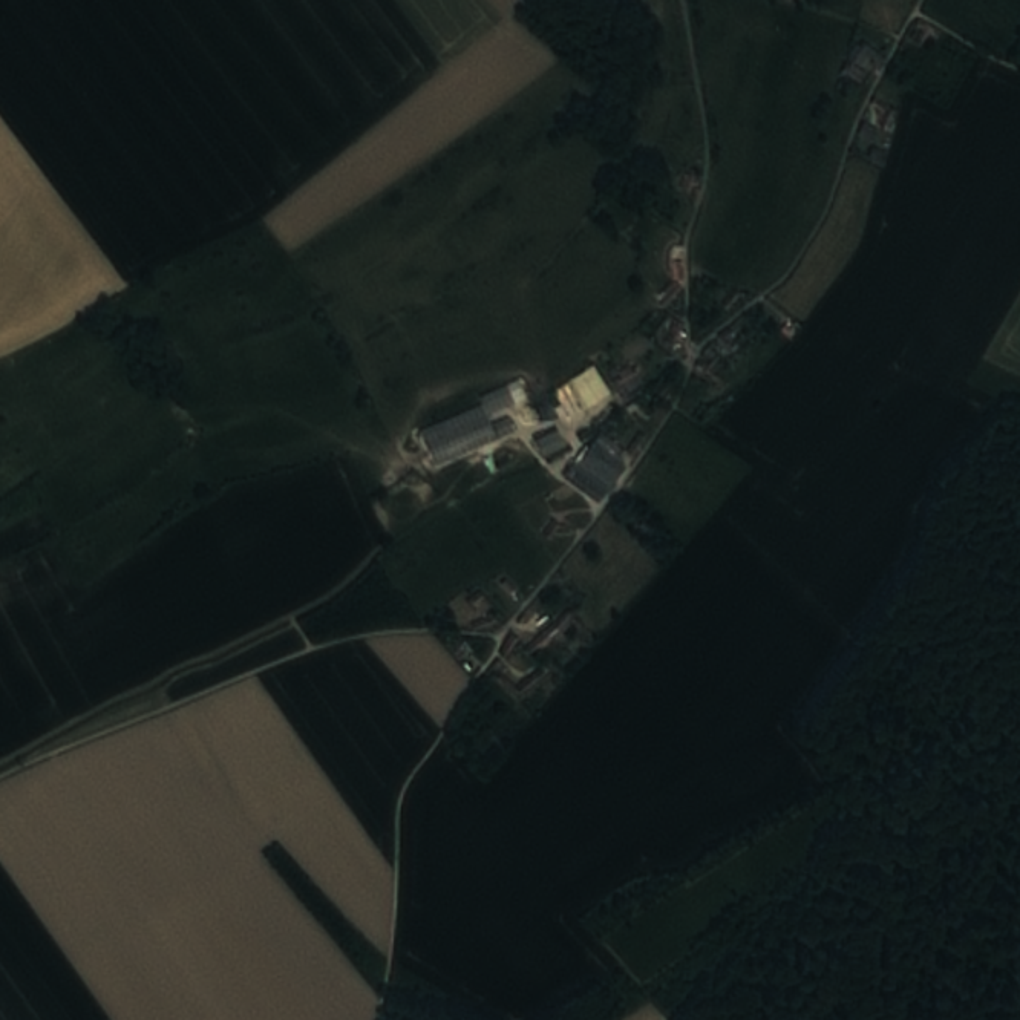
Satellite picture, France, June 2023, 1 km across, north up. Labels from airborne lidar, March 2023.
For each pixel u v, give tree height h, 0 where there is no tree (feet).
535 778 0
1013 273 0
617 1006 35
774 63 0
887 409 0
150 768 0
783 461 0
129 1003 0
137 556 0
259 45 0
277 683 0
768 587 0
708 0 0
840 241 0
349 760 0
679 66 0
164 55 0
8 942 0
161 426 0
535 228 0
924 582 88
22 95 0
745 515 0
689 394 0
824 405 0
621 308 0
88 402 0
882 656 88
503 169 0
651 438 0
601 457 0
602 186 67
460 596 0
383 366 0
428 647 0
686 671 0
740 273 0
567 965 0
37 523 0
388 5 0
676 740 0
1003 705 98
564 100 0
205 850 0
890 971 87
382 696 0
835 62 0
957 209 0
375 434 0
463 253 0
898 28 0
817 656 0
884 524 0
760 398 0
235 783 0
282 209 0
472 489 0
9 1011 0
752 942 53
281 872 23
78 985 0
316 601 0
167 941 0
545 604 35
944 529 77
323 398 0
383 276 0
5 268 0
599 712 0
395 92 0
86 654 0
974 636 119
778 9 0
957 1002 97
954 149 0
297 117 0
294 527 0
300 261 0
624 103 100
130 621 0
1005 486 92
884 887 93
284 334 0
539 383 0
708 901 0
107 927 0
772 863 0
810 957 87
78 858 0
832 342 0
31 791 0
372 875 0
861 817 76
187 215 0
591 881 0
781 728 0
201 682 0
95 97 0
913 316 0
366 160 0
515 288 0
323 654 0
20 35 0
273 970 0
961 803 88
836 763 62
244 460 0
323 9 0
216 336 0
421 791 0
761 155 0
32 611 0
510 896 0
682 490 0
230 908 0
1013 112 0
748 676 0
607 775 0
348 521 0
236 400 0
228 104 0
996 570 72
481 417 0
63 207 0
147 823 0
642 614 0
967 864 94
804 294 0
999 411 45
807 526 0
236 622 0
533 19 28
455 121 0
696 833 0
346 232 0
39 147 0
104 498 0
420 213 0
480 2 0
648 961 0
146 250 0
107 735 0
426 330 0
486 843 0
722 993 86
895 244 0
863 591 0
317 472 0
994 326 0
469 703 29
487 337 0
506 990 0
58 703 0
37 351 0
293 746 0
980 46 23
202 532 0
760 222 0
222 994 0
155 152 0
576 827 0
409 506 0
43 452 0
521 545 0
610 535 0
